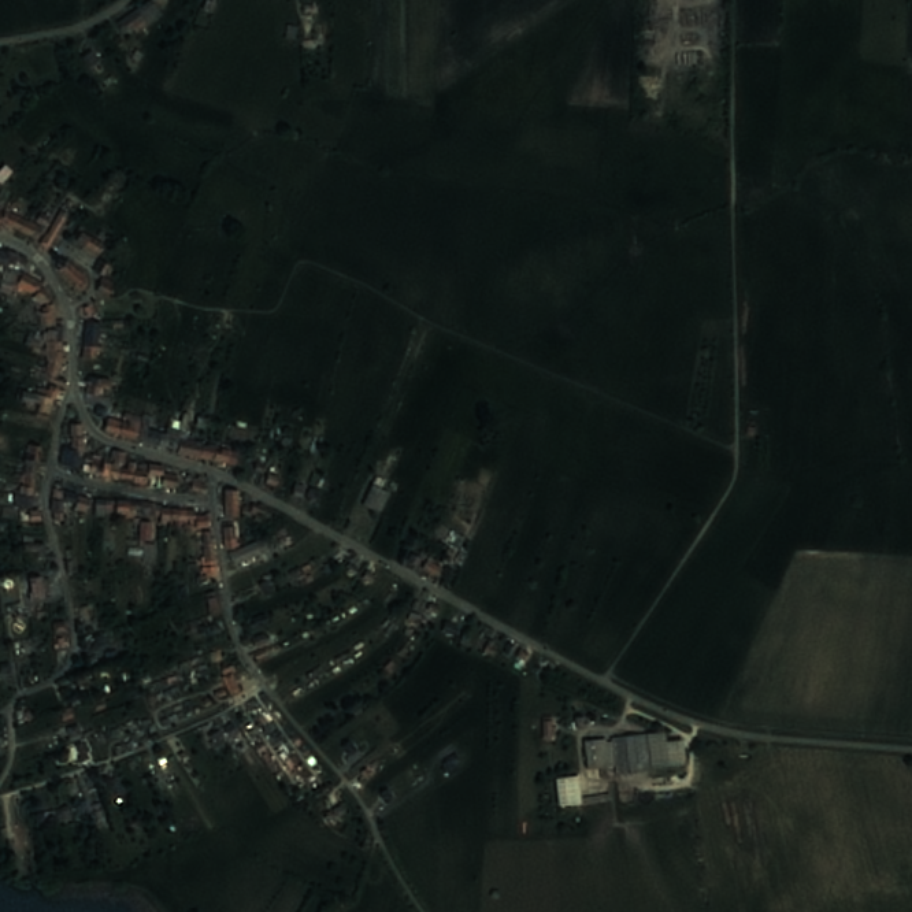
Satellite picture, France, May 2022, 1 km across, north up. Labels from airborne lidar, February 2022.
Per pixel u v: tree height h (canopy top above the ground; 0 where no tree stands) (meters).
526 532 0
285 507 0
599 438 0
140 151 0
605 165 0
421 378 0
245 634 8
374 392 0
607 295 0
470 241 0
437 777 0
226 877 0
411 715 0
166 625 0
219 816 0
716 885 0
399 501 0
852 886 0
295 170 0
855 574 0
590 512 0
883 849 0
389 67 0
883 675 0
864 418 0
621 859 0
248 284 0
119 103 0
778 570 0
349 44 0
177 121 0
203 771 0
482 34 0
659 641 0
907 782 0
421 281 0
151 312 0
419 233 0
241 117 0
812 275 0
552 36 0
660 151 0
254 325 0
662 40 0
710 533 0
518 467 0
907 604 0
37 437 0
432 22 0
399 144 0
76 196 0
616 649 0
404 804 0
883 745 0
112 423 0
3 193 0
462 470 0
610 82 0
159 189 18
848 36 0
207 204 0
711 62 0
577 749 0
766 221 0
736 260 0
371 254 0
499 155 0
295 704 0
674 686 0
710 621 0
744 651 0
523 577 0
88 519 0
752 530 0
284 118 0
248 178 0
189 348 0
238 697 0
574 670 0
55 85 7
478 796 0
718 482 0
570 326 0
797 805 0
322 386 0
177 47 15
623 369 0
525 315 0
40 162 7
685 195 0
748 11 0
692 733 0
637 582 0
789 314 0
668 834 0
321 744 6
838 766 0
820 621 0
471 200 0
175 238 0
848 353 0
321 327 0
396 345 0
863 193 0
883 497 0
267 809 0
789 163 0
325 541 0
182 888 0
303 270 0
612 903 0
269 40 0
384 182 0
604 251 0
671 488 0
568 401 0
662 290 0
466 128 0
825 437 0
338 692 0
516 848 0
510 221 0
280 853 0
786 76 0
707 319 0
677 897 0
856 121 0
